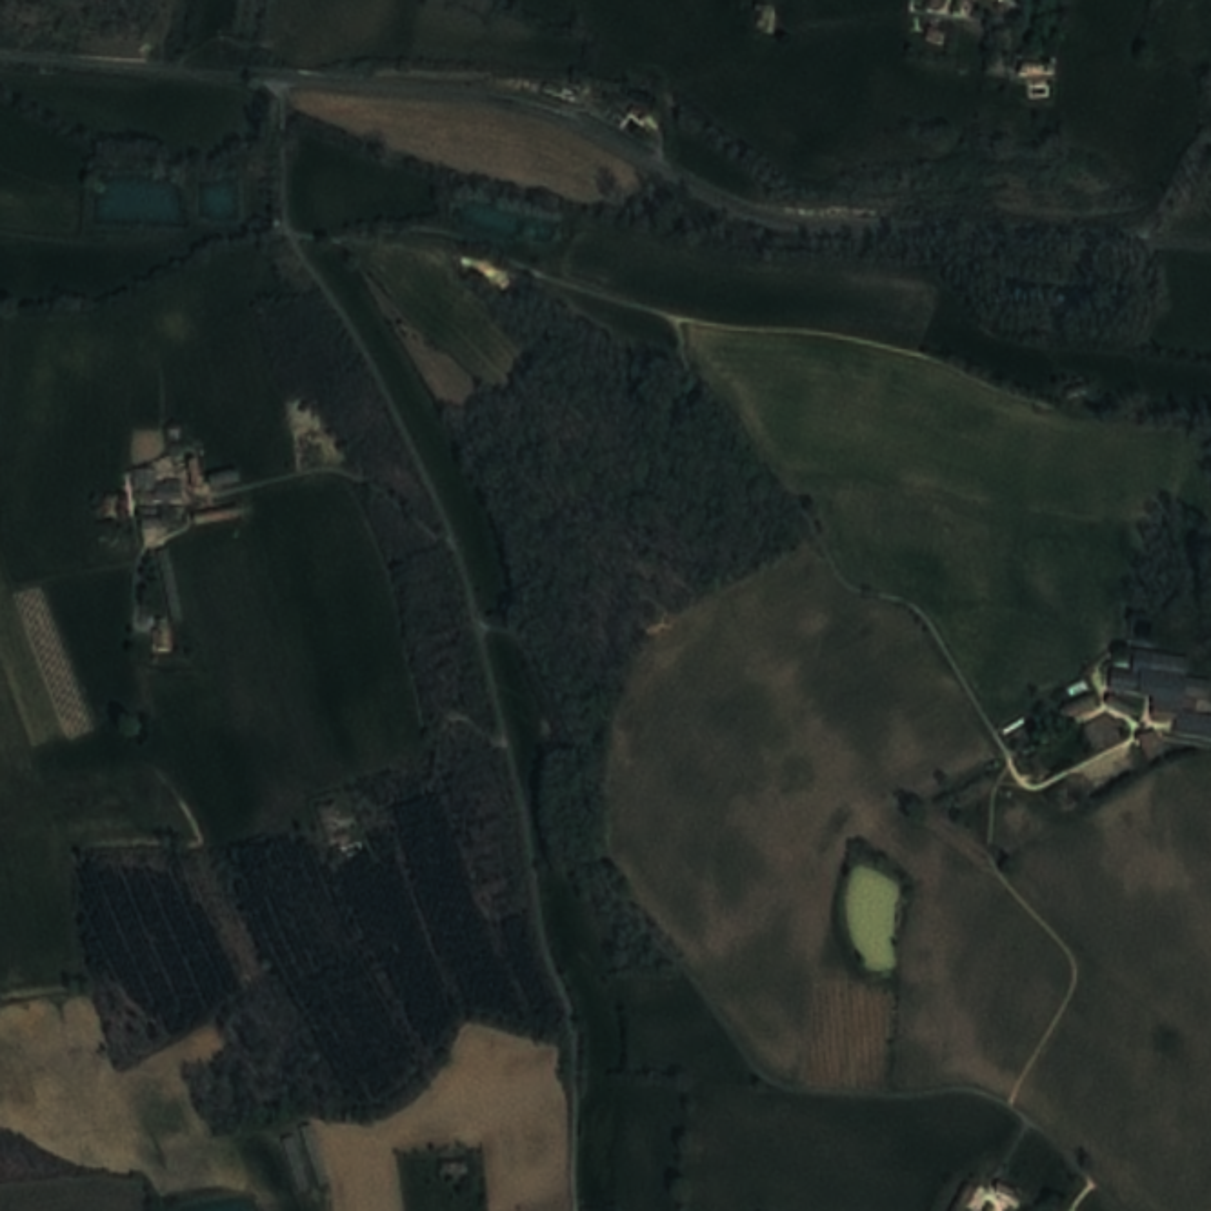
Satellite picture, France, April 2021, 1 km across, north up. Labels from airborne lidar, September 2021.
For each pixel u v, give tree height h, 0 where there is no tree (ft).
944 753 0
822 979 0
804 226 0
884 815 0
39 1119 0
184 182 52
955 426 0
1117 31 0
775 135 0
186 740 0
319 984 31
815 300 0
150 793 0
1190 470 0
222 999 38
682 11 0
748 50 0
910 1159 0
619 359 90
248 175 0
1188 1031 0
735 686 0
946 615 0
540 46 0
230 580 0
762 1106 0
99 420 0
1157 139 0
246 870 45
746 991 0
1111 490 0
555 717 18
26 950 0
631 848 0
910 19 25
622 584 75
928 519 0
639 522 67
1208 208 69
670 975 39
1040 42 50
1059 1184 0
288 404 0
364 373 42
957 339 0
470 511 0
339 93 0
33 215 0
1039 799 0
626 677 76
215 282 0
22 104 45
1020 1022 0
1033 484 0
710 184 0
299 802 0
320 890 27
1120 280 102
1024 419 0
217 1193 0
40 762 0
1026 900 0
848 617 0
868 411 0
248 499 0
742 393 0
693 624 0
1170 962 0
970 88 0
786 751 0
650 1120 0
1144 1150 0
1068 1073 0
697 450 88
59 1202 0
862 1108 0
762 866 0
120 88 0
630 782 0
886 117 0
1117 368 0
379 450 40
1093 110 0
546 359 75
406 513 44
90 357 0
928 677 0
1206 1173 0
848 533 0
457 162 0
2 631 0
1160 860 0
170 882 26
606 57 0
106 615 0
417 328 0
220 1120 40
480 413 56
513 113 0
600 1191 0
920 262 52
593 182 0
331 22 0
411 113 0
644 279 0
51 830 0
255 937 41
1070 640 0
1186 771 0
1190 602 69
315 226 0
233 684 0
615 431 96
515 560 80
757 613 0
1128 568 0
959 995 0
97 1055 0
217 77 0
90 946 30
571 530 74
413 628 32
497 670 0
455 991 34
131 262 0
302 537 0
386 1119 40
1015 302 109
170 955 35
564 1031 42
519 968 39
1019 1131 19
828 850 0
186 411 0
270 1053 50
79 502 0
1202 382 0
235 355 0
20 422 0
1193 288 0
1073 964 0
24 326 0
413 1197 0
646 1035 0
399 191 0
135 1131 0
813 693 0
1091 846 0
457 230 0
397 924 30
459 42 0
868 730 0
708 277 0
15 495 0
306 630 0
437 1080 39
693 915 0
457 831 31
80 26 75
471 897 40
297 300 22
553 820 68
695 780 0
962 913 0
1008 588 0
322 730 0
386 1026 40
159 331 0
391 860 26
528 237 53
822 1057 0
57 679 0
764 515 94
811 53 0
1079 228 28
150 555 28
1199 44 0
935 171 22
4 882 0
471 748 36
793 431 0
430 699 30
